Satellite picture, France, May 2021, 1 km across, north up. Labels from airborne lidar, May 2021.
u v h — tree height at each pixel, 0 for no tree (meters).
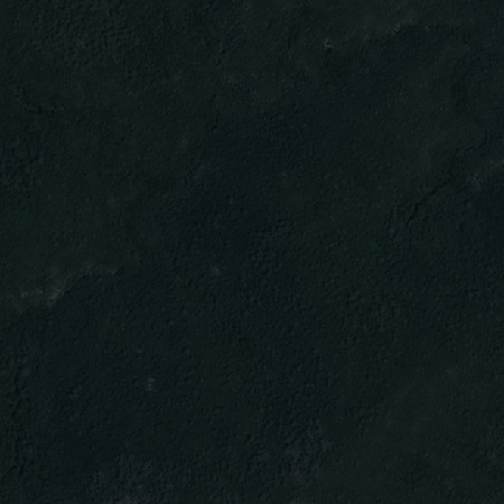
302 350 9
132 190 6
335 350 7
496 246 13
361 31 7
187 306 7
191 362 6
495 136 7
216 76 8
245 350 10
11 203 12
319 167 10
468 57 12
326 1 6
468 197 14
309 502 6
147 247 15
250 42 7
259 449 16
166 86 9
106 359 10
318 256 6
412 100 7
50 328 11
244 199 11
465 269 16
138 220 7
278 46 9
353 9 6
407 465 8
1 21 6
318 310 8
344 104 9
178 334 9
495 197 13
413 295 9
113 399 8
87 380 8
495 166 6
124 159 6
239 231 10
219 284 7
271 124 12
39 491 9
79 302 7
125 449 6
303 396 8
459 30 14
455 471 6
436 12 9
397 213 12
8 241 7
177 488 10
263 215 13
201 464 9
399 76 8
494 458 15
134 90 7
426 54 9
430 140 8
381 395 9
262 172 8
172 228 7
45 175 6
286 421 11
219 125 10
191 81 15
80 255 7
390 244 9
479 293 16
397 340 8
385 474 7
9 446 14
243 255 8
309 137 9
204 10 8
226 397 10
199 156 12
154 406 8
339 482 6
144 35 15
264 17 13
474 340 8
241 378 7
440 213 11
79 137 7
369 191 9
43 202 7
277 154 10
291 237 11
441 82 11
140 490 9
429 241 6
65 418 9
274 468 7
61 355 7
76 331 9
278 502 6
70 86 7
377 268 7
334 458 7
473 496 7
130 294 12
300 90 12
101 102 8
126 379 11
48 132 9
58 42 14
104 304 11
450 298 14
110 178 10
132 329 13
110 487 16
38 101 13
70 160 11
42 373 7
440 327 11
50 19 13
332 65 15
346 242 9
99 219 6
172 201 11
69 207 6
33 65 7
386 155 13
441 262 10
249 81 8
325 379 6
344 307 7
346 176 12
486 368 7
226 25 8
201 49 11
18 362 13
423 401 8
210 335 10
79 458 6
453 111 5
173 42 13
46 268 6
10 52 12
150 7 10
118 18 9
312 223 8
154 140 10
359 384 6
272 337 8
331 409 11
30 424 12
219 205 11
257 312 8
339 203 7
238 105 10
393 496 7
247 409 6
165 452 11
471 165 6
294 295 9
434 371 7
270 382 14
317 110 7
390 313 8
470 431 7
